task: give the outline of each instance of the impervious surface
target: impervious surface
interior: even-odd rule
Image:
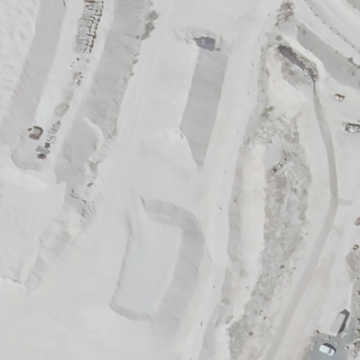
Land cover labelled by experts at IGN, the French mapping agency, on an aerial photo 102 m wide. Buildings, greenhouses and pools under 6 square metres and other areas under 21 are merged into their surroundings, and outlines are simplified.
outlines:
[[[321,330],[315,330],[312,343],[302,360],[346,360],[343,347],[352,342],[353,337],[360,337],[360,316],[354,316],[345,332],[337,330],[336,336],[325,335]]]

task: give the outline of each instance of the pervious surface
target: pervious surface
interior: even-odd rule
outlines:
[[[352,342],[343,347],[346,360],[360,360],[360,337],[353,337]]]
[[[321,330],[325,335],[336,336],[337,330],[345,332],[354,316],[360,316],[360,0],[0,0],[0,360],[302,360],[312,343],[315,330]]]

